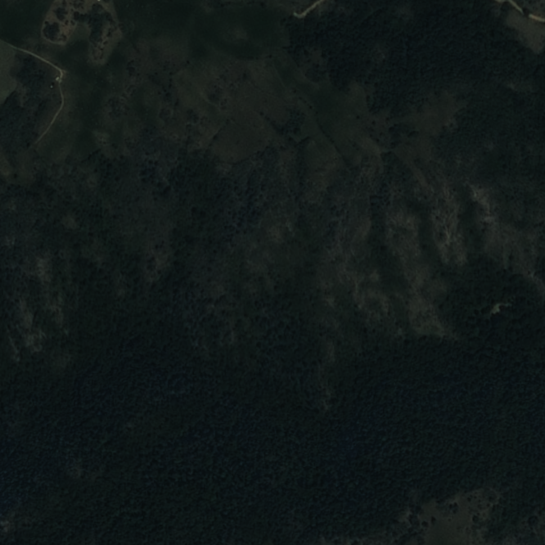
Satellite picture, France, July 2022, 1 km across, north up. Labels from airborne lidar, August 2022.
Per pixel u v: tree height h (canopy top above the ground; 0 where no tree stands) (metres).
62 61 0
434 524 7
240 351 8
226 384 22
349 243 0
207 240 6
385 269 5
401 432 15
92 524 12
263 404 18
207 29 0
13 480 16
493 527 9
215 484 16
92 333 9
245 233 10
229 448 17
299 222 8
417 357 24
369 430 11
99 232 8
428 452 13
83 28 0
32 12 0
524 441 18
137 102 0
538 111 10
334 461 21
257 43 0
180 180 12
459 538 0
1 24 0
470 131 7
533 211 6
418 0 11
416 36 20
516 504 15
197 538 17
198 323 7
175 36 0
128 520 9
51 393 26
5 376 18
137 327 14
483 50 10
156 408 13
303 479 21
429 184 0
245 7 0
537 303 9
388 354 22
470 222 8
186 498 15
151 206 0
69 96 0
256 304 11
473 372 21
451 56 15
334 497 22
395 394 11
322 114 0
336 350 7
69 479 12
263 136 0
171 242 5
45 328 7
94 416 31
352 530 9
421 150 0
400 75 15
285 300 8
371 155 0
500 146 7
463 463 15
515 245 0
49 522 16
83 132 0
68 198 7
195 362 25
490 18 15
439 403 26
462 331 12
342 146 0
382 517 10
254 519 18
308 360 7
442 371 19
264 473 7
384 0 17
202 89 0
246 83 0
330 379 12
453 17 20
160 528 15
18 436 12
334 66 12
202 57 0
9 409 8
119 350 23
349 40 16
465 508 0
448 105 0
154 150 7
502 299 8
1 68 0
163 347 21
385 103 11
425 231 8
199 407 17
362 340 10
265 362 27
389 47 11
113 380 14
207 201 7
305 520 6
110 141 0
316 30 9
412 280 0
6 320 11
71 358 10
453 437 11
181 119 0
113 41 0
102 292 12
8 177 0
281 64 0
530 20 0
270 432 13
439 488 14
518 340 22
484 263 8
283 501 7
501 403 17
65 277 14
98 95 0
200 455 18
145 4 0
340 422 18
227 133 0
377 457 7
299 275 9
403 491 7
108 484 25
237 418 21
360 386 18
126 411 16
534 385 16
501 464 13
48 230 9
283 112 0
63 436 12
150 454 18
